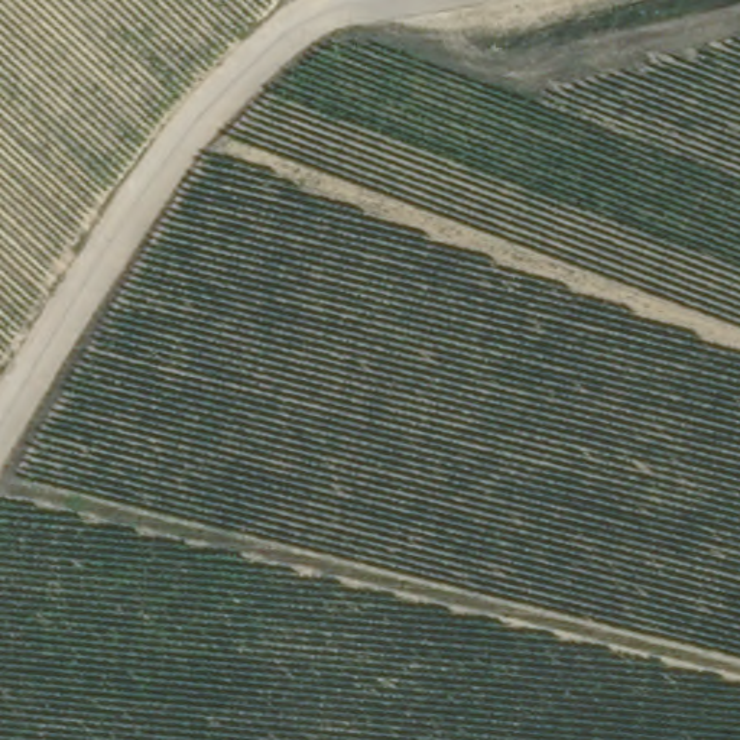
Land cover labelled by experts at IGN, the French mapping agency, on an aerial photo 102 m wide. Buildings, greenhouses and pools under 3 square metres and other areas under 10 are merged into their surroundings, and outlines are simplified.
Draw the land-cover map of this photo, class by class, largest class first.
<instances>
[{"label":"vineyard","instance_id":"1","mask_svg":"<svg viewBox=\"0 0 740 740\"><path fill-rule=\"evenodd\" d=\"M292 0H0V382L17 358L12 335L17 330H32L40 321L43 306L58 295V289L66 280V275L61 272L49 283H43L46 269L52 266V260L61 257V251L81 254L87 249L104 214L116 202L121 185L142 165L150 145L156 142V133L165 127L162 116L194 84H199L208 75L211 66H217L225 58L231 43L251 38L260 26L275 20V14H280ZM0 740H740V32L731 35L726 52L702 46L697 58L674 55L671 64H659L653 72L621 69L619 75L601 78L587 87H541L538 93H523L509 84L486 81L483 75H471L448 64H434L428 58L413 55L405 46L384 43L379 40V32L373 26L335 29L321 40L309 43L208 139V145L194 156L191 168L182 173L173 194L165 199L162 211L147 225L145 237L139 240L121 275L104 295L101 306L78 335L75 347L69 350L66 361L61 364L55 382L43 393L40 405L35 408L26 431L20 434L14 451L9 454L0 471Z\"/></svg>","mask_w":740,"mask_h":740},{"label":"pervious surface","instance_id":"2","mask_svg":"<svg viewBox=\"0 0 740 740\"><path fill-rule=\"evenodd\" d=\"M517 0H292L280 14H275V20L260 26L251 38L231 43L225 58L217 66H211L208 75L199 84H194L162 116L165 127L156 133V142L150 145L142 165L121 185L116 202L104 214L87 249L81 254L61 251V257L52 260V266L46 269L43 283H49L61 272L66 275V280L58 289V295L43 306L40 321L32 330H17L12 335L17 358L0 382V471L9 454L14 451L20 434L26 431L35 408L40 405L43 393L55 382L61 364L66 361L69 350L75 347L78 335L101 306L104 295L121 275L139 240L145 237L147 225L162 211L165 199L173 194L182 173L191 168L194 156L208 145V139L309 43L321 40L335 29L373 26L405 23L419 29H480L489 20V12H500L503 6H512Z\"/></svg>","mask_w":740,"mask_h":740},{"label":"herbaceous vegetation","instance_id":"3","mask_svg":"<svg viewBox=\"0 0 740 740\"><path fill-rule=\"evenodd\" d=\"M379 32V40L384 43L405 46L413 55L428 58L434 64H448L471 75H483L486 81L509 84L523 93H538L541 87H587L601 78L619 75L621 69L653 72L659 64H671L674 55L697 58L702 46L726 52L731 35L740 32V0H517L512 6H503L500 12H489V20L480 29H419L405 23L373 26Z\"/></svg>","mask_w":740,"mask_h":740}]
</instances>
